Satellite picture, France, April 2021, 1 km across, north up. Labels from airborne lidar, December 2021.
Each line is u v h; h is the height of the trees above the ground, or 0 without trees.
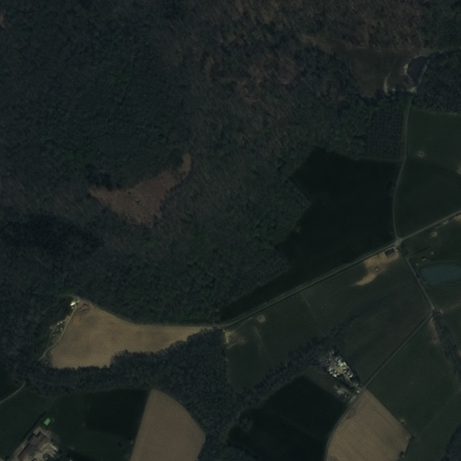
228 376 34
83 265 18
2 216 20
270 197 30
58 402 0
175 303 17
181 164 14
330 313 0
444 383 0
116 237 19
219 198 29
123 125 11
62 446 0
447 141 0
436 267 0
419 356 0
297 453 0
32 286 18
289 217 29
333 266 0
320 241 0
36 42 24
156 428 0
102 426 0
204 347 36
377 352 0
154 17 20
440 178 0
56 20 22
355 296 0
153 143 11
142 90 9
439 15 23
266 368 0
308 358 27
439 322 20
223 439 33
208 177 22
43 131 22
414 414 0
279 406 0
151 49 15
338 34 26
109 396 0
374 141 29
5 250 25
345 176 0
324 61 34
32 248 23
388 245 0
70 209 23
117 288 17
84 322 0
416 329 0
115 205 0
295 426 0
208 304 25
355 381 13
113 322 0
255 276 20
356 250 0
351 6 28
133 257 20
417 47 34
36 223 24
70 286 19
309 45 0
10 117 26
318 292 0
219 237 23
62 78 24
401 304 0
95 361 0
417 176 0
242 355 0
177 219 20
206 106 25
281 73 27
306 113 24
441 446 0
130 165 13
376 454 0
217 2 16
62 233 22
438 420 0
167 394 9
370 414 0
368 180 0
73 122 9
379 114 32
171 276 27
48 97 14
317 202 0
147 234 22
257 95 28
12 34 24
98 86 12
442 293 0
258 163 24
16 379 10
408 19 24
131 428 0
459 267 0
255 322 0
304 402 0
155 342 0
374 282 0
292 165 25
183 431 0
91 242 20
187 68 26
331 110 30
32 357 17
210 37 24
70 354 0
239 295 21
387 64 0
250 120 16
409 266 0
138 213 0
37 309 26
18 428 0
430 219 0
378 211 0
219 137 21
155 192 0
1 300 26
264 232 27
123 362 24
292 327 0
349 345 0
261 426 0
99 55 23
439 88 18
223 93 27
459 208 0
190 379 34
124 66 13
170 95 12
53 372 14
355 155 24
